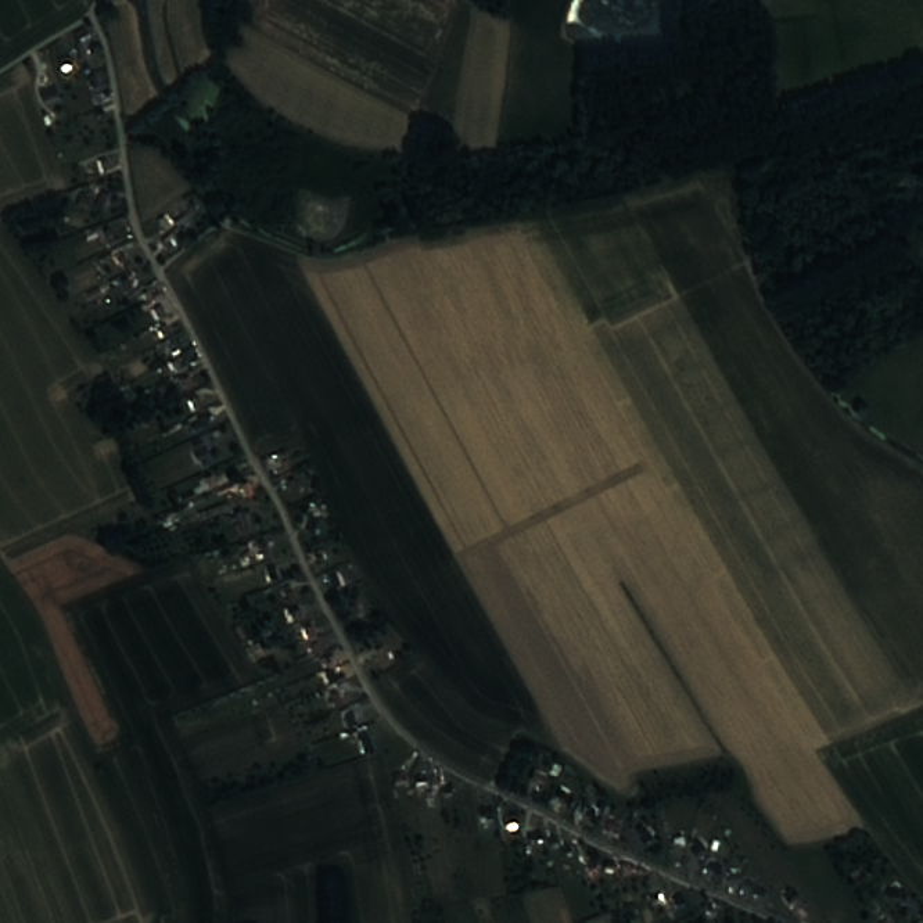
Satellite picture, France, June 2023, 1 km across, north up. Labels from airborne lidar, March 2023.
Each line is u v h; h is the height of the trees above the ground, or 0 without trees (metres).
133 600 0
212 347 0
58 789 0
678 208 0
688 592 0
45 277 0
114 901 0
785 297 31
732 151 28
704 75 32
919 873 0
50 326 0
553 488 0
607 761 0
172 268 0
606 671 0
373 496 0
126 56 0
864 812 0
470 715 0
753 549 0
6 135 0
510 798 0
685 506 0
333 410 0
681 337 0
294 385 0
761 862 0
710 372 0
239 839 0
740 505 0
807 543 0
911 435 0
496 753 0
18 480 0
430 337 0
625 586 0
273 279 0
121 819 0
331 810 0
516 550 0
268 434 0
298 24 0
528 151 15
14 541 0
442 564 0
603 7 0
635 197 0
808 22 0
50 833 0
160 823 0
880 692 0
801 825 0
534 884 8
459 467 0
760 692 0
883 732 0
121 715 0
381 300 0
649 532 0
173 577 0
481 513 0
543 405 0
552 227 0
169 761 0
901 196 10
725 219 0
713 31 31
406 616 0
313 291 0
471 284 0
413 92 0
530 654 0
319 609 0
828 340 20
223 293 0
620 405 0
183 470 0
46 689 0
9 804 0
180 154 28
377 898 0
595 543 0
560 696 0
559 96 0
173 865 0
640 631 0
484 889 0
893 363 0
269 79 0
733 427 0
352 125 0
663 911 7
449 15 0
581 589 0
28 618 0
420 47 0
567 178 21
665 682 0
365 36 0
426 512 0
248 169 6
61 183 0
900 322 23
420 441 0
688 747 0
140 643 0
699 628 0
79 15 0
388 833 0
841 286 24
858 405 13
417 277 0
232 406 0
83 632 0
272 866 0
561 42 0
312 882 0
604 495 0
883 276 19
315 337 0
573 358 0
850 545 0
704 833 0
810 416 0
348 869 0
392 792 0
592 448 0
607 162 22
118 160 0
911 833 0
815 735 0
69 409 0
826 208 11
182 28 0
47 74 0
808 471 0
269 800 0
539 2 0
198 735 0
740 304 0
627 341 0
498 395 0
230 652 0
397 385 0
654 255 0
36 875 0
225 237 0
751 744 0
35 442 0
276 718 0
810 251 16
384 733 0
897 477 0
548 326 0
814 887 0
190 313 0
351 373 0
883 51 0
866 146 19
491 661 0
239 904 0
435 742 0
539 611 0
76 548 0
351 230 0
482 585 0
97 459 0
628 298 0
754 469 0
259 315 0
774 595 0
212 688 0
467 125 0
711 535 0
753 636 0
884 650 0
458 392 0
